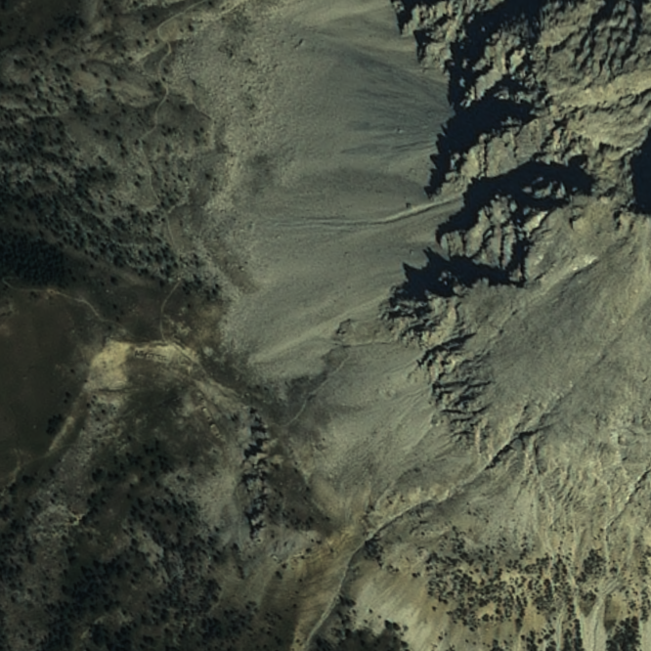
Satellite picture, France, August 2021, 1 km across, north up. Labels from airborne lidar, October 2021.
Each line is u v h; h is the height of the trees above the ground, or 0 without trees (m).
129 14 0
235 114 0
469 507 0
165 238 0
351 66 0
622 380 0
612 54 0
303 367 0
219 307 0
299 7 0
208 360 0
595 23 0
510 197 0
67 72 8
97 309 0
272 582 0
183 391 0
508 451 0
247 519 0
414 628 0
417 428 0
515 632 0
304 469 0
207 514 0
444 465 0
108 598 14
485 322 0
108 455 0
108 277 0
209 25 0
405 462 0
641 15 0
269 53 0
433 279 0
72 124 0
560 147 0
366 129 0
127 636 21
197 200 0
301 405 0
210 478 0
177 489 0
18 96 6
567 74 0
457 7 0
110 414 0
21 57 0
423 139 0
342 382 0
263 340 0
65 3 0
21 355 0
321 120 0
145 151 0
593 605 0
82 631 0
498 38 0
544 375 0
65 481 0
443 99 0
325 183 0
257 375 0
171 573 10
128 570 7
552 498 0
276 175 0
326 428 0
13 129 7
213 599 7
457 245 0
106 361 0
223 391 0
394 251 0
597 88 0
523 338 0
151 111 0
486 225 0
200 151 0
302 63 0
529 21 0
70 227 7
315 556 0
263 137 0
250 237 0
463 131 0
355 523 0
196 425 0
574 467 0
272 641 0
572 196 0
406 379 0
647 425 0
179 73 0
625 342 0
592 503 0
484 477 0
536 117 0
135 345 0
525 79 0
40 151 6
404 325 0
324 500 0
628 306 0
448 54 0
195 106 0
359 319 0
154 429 0
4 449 0
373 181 0
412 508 0
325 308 0
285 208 0
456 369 0
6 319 0
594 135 0
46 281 9
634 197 0
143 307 0
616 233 0
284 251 0
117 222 11
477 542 0
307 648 0
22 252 11
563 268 0
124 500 0
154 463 11
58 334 0
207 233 0
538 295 0
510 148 0
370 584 0
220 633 12
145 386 0
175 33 0
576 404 0
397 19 0
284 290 0
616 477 0
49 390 0
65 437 0
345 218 0
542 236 0
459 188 0
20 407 0
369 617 0
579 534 0
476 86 0
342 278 0
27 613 0
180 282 0
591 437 0
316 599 0
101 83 0
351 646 0
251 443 0
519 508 0
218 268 0
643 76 0
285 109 0
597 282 0
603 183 0
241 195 0
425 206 0
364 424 0
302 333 0
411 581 0
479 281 0
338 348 0
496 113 0
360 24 0
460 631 0
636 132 0
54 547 0
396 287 0
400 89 0
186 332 0
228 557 0
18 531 16
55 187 0
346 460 0
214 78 0
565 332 0
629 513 0
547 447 0
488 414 0
